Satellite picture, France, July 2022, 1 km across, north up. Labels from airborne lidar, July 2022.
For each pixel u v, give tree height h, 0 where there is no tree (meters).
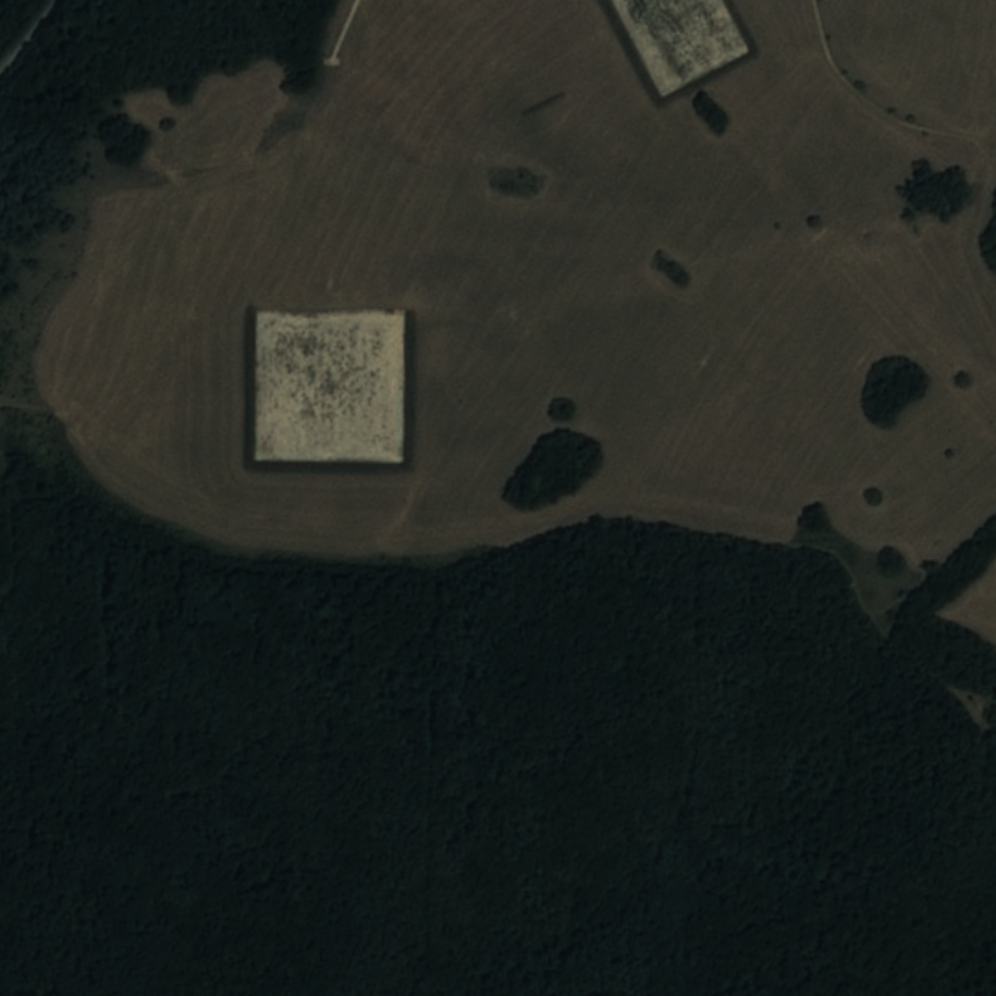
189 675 24
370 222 0
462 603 16
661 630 19
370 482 0
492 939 20
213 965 22
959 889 18
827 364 0
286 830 23
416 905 23
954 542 0
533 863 21
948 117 0
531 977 28
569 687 25
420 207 0
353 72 0
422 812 22
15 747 22
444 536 0
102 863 22
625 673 22
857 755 27
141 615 25
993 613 0
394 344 0
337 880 21
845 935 28
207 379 0
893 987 21
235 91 0
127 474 0
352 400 0
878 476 0
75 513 21
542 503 19
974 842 17
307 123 0
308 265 0
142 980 25
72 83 9
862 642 17
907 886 26
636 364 0
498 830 20
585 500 0
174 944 26
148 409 0
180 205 0
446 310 0
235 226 0
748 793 27
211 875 25
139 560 24
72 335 0
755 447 0
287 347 0
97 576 27
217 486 0
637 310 0
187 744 22
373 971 24
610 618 24
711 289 0
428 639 17
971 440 0
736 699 20
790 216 0
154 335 0
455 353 0
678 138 0
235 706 22
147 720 27
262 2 17
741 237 0
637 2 0
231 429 0
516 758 24
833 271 0
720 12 0
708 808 25
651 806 20
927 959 23
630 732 21
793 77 0
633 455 0
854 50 0
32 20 12
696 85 0
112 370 0
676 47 0
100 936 26
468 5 0
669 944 23
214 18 16
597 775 21
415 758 20
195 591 26
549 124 0
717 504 0
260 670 23
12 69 9
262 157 0
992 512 0
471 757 21
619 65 0
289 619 23
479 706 23
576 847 17
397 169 0
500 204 0
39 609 22
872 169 0
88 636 24
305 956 22
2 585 18
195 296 0
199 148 0
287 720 21
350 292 0
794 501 0
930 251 0
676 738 21
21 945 26
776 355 0
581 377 0
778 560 14
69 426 0
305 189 0
